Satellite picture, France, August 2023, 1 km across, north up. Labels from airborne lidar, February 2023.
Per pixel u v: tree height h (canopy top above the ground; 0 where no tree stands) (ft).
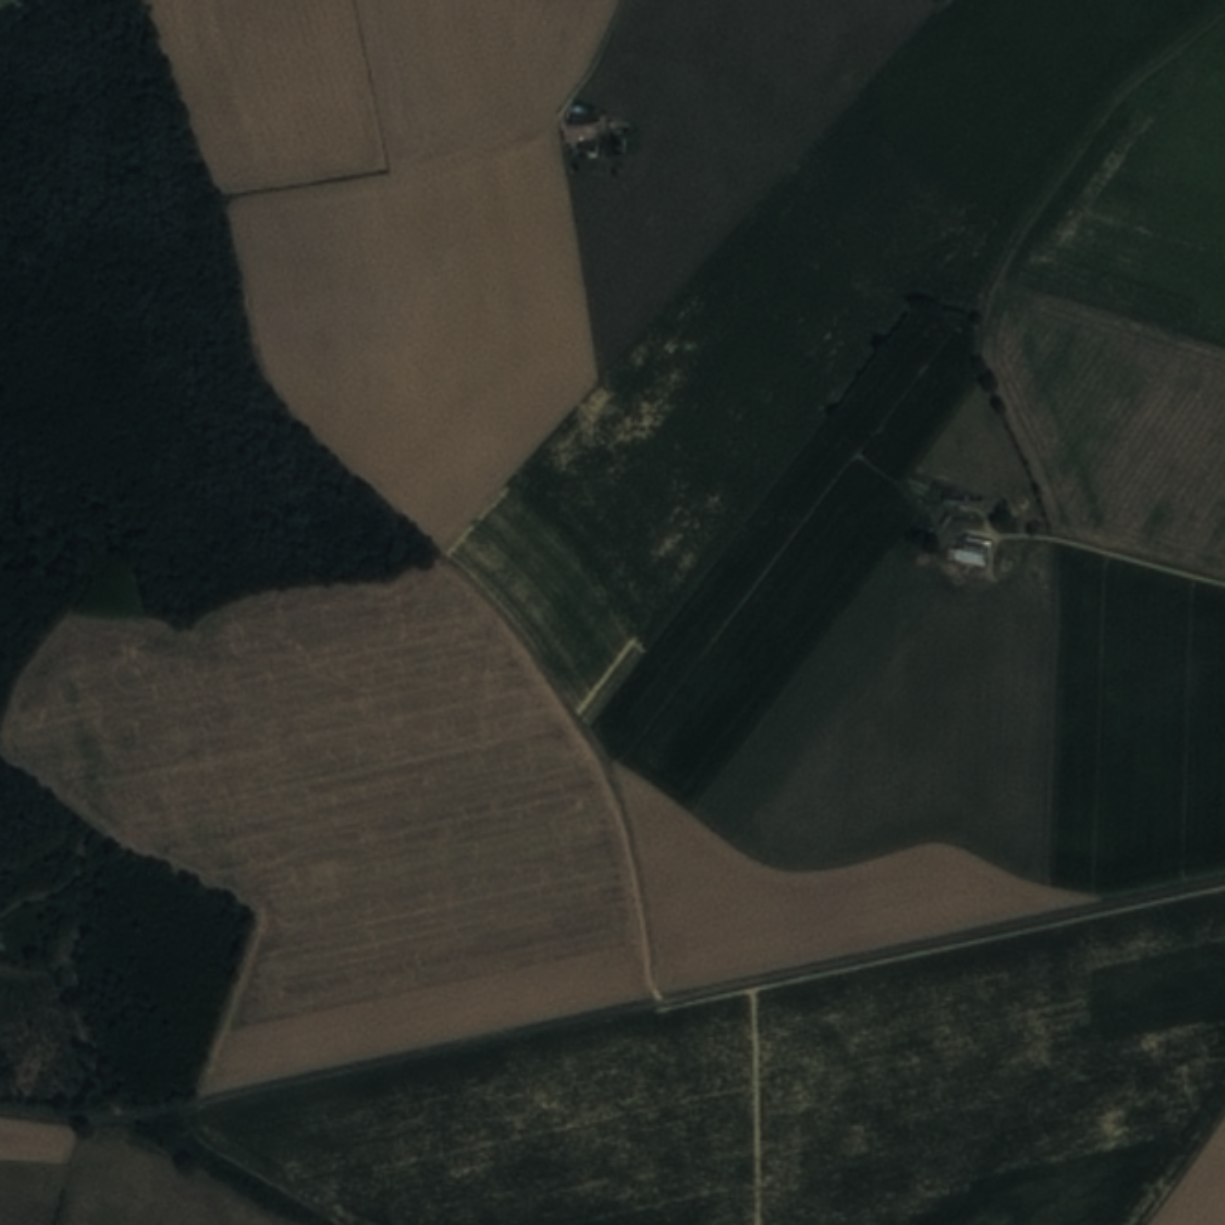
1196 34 0
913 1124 0
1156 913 0
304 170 0
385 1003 0
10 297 63
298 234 0
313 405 0
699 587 0
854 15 0
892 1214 0
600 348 0
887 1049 0
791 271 0
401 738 0
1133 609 0
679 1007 0
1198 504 0
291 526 50
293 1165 0
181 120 58
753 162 0
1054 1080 0
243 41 0
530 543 0
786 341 0
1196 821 0
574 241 0
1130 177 0
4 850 59
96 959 33
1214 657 0
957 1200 0
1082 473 0
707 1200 0
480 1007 0
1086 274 0
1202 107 0
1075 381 0
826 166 0
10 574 48
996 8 0
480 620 0
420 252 0
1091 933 0
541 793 0
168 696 0
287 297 0
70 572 41
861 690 0
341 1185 0
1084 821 0
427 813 0
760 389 0
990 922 0
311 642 0
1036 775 0
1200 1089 0
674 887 0
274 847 0
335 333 0
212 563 51
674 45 0
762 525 0
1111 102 0
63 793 0
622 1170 0
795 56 0
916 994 0
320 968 0
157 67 60
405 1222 0
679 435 0
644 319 0
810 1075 0
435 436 0
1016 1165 0
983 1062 0
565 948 0
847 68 0
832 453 0
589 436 0
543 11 0
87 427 58
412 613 0
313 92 0
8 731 0
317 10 0
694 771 0
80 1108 39
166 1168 0
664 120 0
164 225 61
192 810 0
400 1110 0
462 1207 0
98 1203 0
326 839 0
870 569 0
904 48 0
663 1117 0
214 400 45
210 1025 24
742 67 0
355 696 0
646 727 0
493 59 0
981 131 0
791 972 0
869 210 0
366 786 0
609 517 0
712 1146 0
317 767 0
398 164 0
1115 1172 0
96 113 56
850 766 0
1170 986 0
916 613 0
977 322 29
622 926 0
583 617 0
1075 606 0
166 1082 35
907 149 0
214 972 43
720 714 0
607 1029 0
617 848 0
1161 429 0
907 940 0
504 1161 0
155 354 40
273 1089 0
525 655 0
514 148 0
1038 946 0
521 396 0
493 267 0
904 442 0
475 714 0
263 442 43
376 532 54
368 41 0
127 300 47
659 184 0
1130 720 0
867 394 0
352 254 0
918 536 33
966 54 0
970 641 0
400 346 0
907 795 0
